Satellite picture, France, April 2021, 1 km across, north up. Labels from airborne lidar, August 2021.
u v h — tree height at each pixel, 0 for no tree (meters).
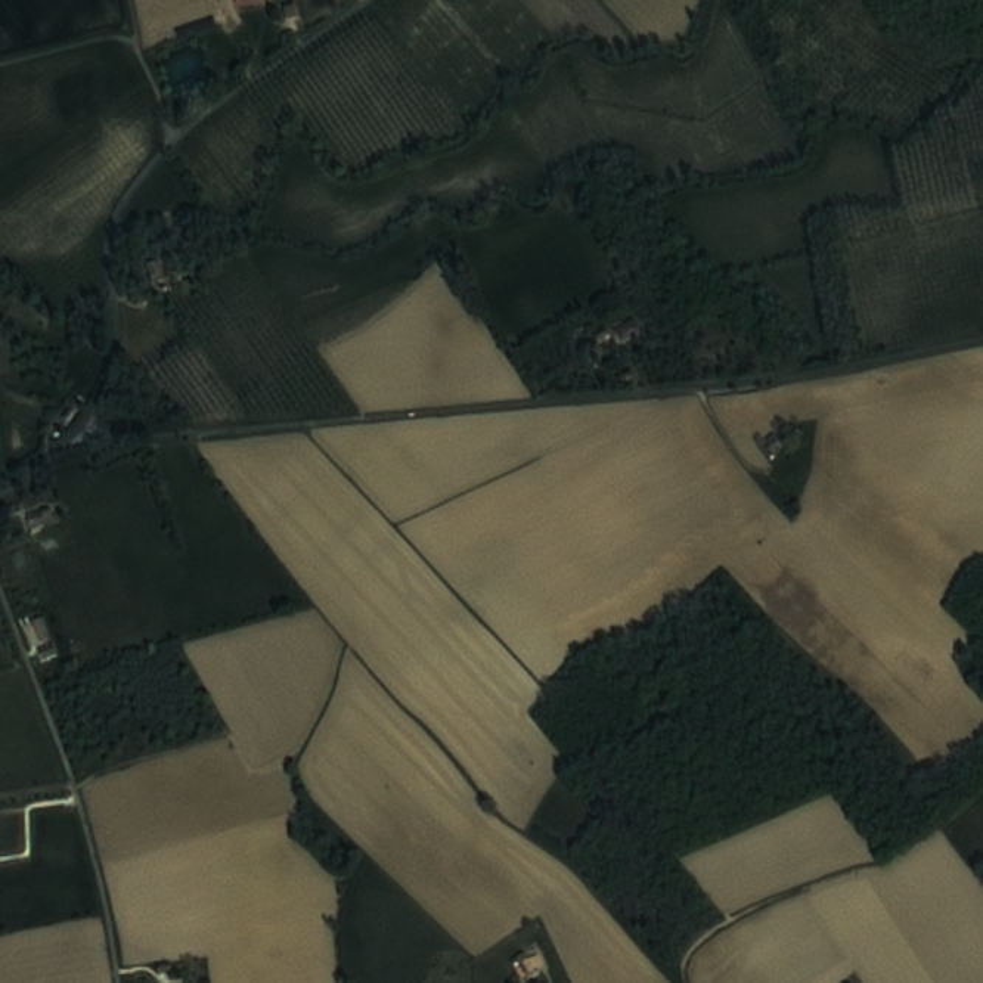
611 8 0
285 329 15
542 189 9
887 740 19
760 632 20
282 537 0
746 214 0
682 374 14
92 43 0
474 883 0
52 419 10
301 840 16
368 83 24
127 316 0
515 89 19
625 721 10
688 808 20
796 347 19
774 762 24
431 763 0
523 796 0
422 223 24
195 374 29
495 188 8
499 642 0
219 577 0
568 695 14
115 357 15
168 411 16
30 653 0
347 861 10
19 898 0
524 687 0
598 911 0
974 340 0
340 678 0
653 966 0
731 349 7
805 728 22
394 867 0
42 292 11
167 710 9
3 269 13
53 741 0
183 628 0
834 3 14
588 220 15
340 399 15
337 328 0
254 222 16
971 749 13
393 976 0
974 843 0
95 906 0
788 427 14
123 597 0
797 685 23
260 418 16
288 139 17
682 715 18
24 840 0
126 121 9
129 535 0
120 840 0
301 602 7
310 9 0
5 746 0
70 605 0
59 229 8
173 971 8
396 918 0
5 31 0
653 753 23
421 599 0
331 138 23
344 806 0
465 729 0
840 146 0
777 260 10
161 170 0
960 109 24
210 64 7
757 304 14
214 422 28
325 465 0
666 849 20
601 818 21
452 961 0
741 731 23
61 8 0
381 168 17
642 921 11
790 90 19
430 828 0
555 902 0
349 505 0
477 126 20
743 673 21
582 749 11
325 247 7
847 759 24
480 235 0
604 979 0
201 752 0
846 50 15
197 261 18
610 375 10
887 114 11
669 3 0
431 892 0
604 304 12
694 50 12
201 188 9
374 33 25
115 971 0
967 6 19
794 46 11
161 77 8
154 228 17
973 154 28
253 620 6
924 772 16
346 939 0
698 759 22
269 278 0
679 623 21
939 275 11
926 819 15
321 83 24
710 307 20
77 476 0
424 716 0
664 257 15
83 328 14
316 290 0
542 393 7
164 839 0
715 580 9
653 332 15
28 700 0
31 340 12
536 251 0
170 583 0
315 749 0
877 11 21
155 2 0
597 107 0
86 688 9
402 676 0
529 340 12
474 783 0
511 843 0
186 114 23
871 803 25
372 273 0
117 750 11
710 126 0
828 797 20
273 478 0
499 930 0
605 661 19
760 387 12
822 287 16
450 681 0
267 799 0
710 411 0
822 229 17
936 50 16
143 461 9
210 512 0
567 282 0
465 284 33
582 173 17
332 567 0
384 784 0
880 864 15
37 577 0
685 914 13
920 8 12
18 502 7
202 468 8
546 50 16
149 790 0
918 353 0
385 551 0
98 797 0
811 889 0
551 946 0
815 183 0
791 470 0
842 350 27
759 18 7
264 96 25
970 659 22
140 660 13
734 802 21
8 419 0
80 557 0
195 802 0
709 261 21
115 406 28
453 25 0
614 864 15
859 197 0
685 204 0
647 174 7
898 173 33
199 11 0
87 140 8
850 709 16
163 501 12
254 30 0
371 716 0
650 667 25
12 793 0
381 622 0
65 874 0
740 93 0
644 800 18
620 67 13
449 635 0
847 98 15
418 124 22
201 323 17
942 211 29
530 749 0
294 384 20
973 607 16
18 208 8
